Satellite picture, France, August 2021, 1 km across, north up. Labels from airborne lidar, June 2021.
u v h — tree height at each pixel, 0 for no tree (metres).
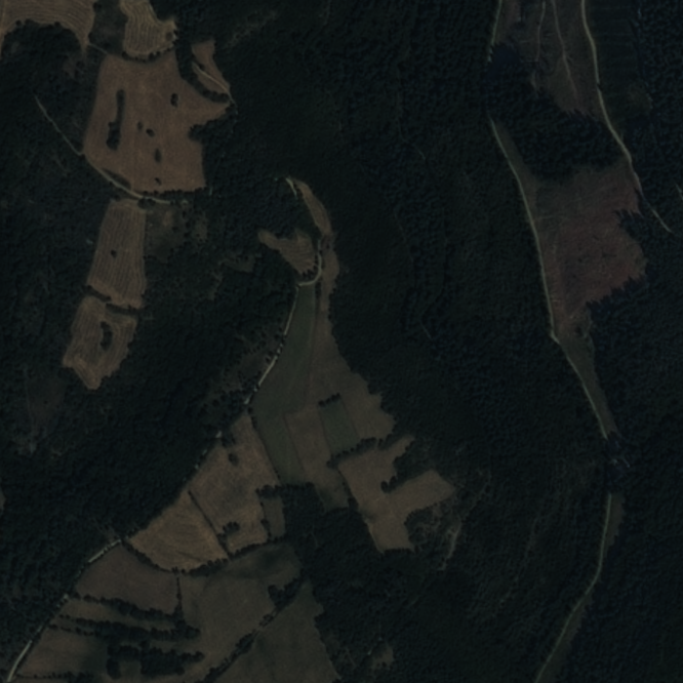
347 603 20
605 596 24
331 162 11
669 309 21
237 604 0
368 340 13
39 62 13
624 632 13
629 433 31
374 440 9
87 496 8
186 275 10
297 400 0
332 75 17
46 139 14
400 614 12
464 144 11
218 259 9
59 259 16
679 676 7
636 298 22
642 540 13
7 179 16
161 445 14
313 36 8
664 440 20
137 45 0
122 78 0
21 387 9
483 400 32
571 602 19
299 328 0
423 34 32
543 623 26
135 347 10
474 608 17
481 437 16
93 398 10
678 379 16
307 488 11
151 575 0
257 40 17
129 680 0
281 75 14
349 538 9
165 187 0
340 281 6
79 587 0
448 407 8
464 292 18
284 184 10
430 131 13
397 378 9
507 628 15
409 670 21
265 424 0
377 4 25
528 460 12
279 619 0
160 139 0
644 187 17
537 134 6
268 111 11
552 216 0
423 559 6
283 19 11
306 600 0
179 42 11
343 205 9
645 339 17
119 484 10
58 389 0
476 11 23
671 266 24
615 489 35
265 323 11
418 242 13
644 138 25
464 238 10
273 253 15
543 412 9
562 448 7
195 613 0
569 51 0
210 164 10
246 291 10
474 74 35
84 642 0
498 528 15
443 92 34
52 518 10
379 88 10
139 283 0
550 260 0
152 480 10
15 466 20
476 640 16
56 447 10
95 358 0
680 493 11
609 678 6
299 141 11
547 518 13
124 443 18
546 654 30
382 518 0
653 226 25
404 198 19
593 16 0
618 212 0
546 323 12
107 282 0
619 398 20
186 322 11
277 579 0
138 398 16
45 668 0
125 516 10
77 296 11
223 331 20
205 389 15
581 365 0
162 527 0
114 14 0
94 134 0
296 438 0
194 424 18
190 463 8
